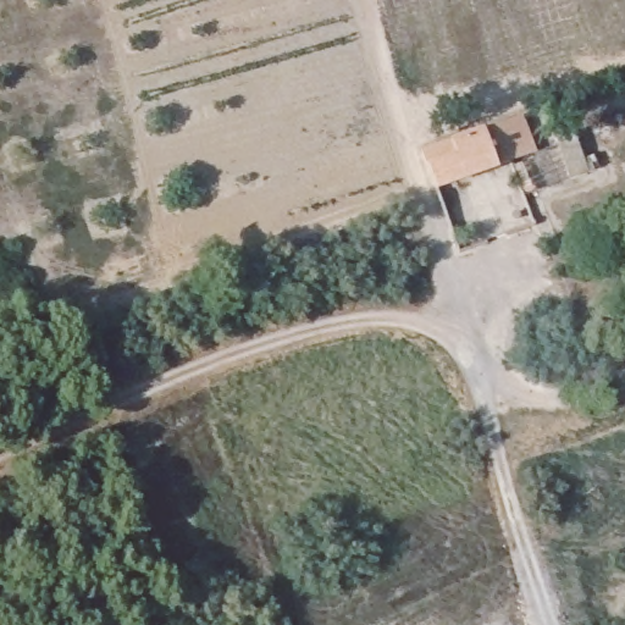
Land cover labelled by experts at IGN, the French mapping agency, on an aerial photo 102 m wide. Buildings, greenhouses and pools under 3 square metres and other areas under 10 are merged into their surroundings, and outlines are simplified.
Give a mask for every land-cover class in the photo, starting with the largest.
<instances>
[{"label":"herbaceous vegetation","instance_id":"1","mask_svg":"<svg viewBox=\"0 0 625 625\"><path fill-rule=\"evenodd\" d=\"M361 0H0V68L10 63H22L27 71L17 85L0 88V237L24 234L34 242L29 261L24 256H17V271L24 278V295L34 293L42 300H66L68 305L83 313V322L88 330L85 349L90 352L93 361L110 374V388L105 396H100L98 405L120 410H139L146 405V388L159 378L151 374L149 361L142 354L125 356L122 322L132 308V300L139 298L144 288L166 291L173 286L181 271H190L198 264L200 247L208 239L222 237L229 244H239L237 288L259 291L271 273L264 251L266 234H281L293 227H325L337 232L361 215L381 212L386 205H391L393 195L405 193L413 186L403 178V156L400 146L396 144L398 129L388 110V103L381 93L378 61L374 63L366 56V46L359 39V24L352 20L354 7ZM73 46H90L95 51V61L76 68L63 66L61 56L73 51ZM159 107H168L171 127L176 132L154 134L146 129V117ZM181 166L190 168L203 208L173 210L164 203L166 178L171 171ZM381 5V24L400 88H405L408 93H427L437 103L442 95H466L479 83L491 81L505 88L510 83H542V78L547 76H564L576 68L583 73H596L608 66H625V0H376ZM603 110L601 120L608 127H598L593 132L598 146L591 154H583V161L591 171L610 164L615 168L618 181L610 186V190L598 188L579 195L574 203L554 200L552 208L564 225L569 222L574 210L603 203L608 193H625V90H610L598 105ZM569 298L574 332H583L586 347L596 352L601 320L610 317V305L618 298V291L608 278H569ZM117 449L120 459H125V464L129 466L134 486L142 491V496L156 498L161 503L159 520H154L149 527L161 540L166 564L178 566L181 598L193 605H203L210 596L208 581L212 576H222L225 571H229L237 559H244L249 566H259L261 574L271 576L266 588L273 593L278 610L291 620V625H525L520 613V581L515 574L513 554L505 547V537L496 515V500L491 496V454L498 447L505 449L520 510L530 522L537 554L542 559V566L547 569L552 591L559 601L562 625H625V613L610 615L605 605L613 601V593L608 591V576L618 569L625 571V405L615 403L610 410L598 413L588 420L586 415L576 413L569 403L562 400L554 410L513 408L503 415L486 413L476 405L461 366L442 344H437L427 334L408 332L403 327H381L369 330L366 334H349L330 339L325 344H313L308 349H298L288 356H276L247 371H229L227 383L203 388L195 396L176 400L171 405H161L154 413L149 420L142 422H117ZM320 493L359 496L369 508H378L391 520L396 518L408 532V542L403 544L405 554L396 559L388 566V571H381L374 581H369L361 588L339 591L334 598H315L298 593L291 579L281 574V547L291 542L286 535V520L300 513L308 498ZM32 464L17 461L12 457V461L0 464V476L15 479Z\"/></svg>","mask_w":625,"mask_h":625},{"label":"deciduous trees","instance_id":"2","mask_svg":"<svg viewBox=\"0 0 625 625\"><path fill-rule=\"evenodd\" d=\"M63 66L76 68L95 61V51L90 46H73V51L61 56ZM27 71L22 63H10L0 68V88L17 85ZM610 90H625V66H608L596 73H583L576 68L564 76H547L542 78V83H510L505 88L491 81L479 83L466 95H442L437 103L432 112V125H452L464 129L479 125L481 115H498L513 107L515 103H522L530 132L537 149H549V139L554 134L566 139L579 137L583 154H591L598 146L593 132L598 127H608L601 120L603 110L598 105ZM146 129L154 134L176 132L171 127L168 107H159L146 117ZM164 203L173 210L203 208L190 168L181 166L171 171L166 178ZM405 203V193L393 195L391 205H386L381 212L361 215L337 232L325 227H293L281 234H266L264 251L271 273L259 291L237 288L239 244H229L222 237L208 239L200 247L198 264L190 271H181L173 286L166 291L144 288L139 298L132 300V308L122 322L125 356L142 354L149 361L151 374L159 378L168 369H176L186 361L203 356L208 349L212 352L217 347H227L234 337L249 339L254 334H261L271 322L291 327L295 322H310L334 313L381 308L410 310L413 305L430 300L435 293V283L432 273L425 269L427 249H415V239H425L427 234L425 229H420L415 234H408V227H396ZM540 249L552 261L554 276L569 278H608L618 291V298L610 305V317L601 320L596 352L586 347L583 332H574L569 298L540 295L525 310H518L513 315V347L503 356L505 369L522 371L532 381L554 386L562 400L569 403L576 413L586 415L588 420L598 413L610 410L615 403L625 405V193H608L603 203L574 210L569 222L564 225V229L542 237ZM459 247L469 249L476 242L496 239L493 220L464 222L454 229ZM34 242L24 234L0 237V454L10 452L12 444L27 447L44 432L49 435V452L37 454V461L32 464L15 479L0 476V625H291V620L278 610L273 593L266 588L271 576L261 574L259 566H249L244 559H237L229 571H225L222 576H212L208 581L210 596L203 605H193L181 598L178 566L166 564L161 540L149 527L154 520H159L161 503L156 498L142 496V491L134 486L129 466L125 464V459H120L117 449V422H142L149 420L154 413L146 405L139 410H120L98 405L100 396H105L110 388V374L93 361L90 352L85 349L88 330L83 322V313L68 305L66 300H42L34 293L24 295V278L17 271V256H24L29 261ZM286 535L291 542L281 547V574L291 579L298 593L315 598H334L339 591L361 588L369 581H374L381 571H388V566L396 559L405 554L403 544L408 542V532L396 518L391 520L378 508H369L359 496L320 493L308 498L300 513L286 520Z\"/></svg>","mask_w":625,"mask_h":625},{"label":"pervious surface","instance_id":"3","mask_svg":"<svg viewBox=\"0 0 625 625\"><path fill-rule=\"evenodd\" d=\"M352 20L359 24V39L366 46V56L374 63L378 61L381 93L388 103V110L398 129L396 144L400 146L403 156V178L413 186L405 193V203L396 227H408V234H415L420 229H425L427 234L425 239H415V249H427L425 269L432 273L435 283V293L430 300L413 305L410 310L381 308L334 313L310 322H295L291 327L271 322L261 334H254L249 339L234 337L227 347H217L212 352L208 349L203 356L186 361L176 369H168L159 378L146 388V405L154 413L161 405H171L176 400L195 396L203 388L227 383L229 371H247L276 356H288L298 349H308L313 344H325L330 339L349 334H366L369 330L381 327H403L408 332L427 334L437 344H442L461 366L476 405L486 413L503 415L513 408L554 410L562 400L554 386L532 381L522 371L505 369L503 356L513 347V315L518 310H525L540 295L569 298V278L554 276L552 261L540 249L542 237L564 229V225L552 208L554 200L574 203L579 195L598 188L610 190V186L618 181L615 168L610 164L591 171L583 173L581 181L564 176V183L542 188L537 198L527 193V205L520 212L508 210L498 220H493L496 239L476 242L469 249L459 247L454 229L442 188H420L427 178V171H432V161L425 156L422 144L435 134L432 125V112L437 103L427 93H408L405 88H400L381 24V5L376 0H361L354 7ZM49 452V435L44 432L27 447L12 444L10 452L0 454V464L12 461V457L17 461L32 464L37 461V454ZM491 496L496 500V515L505 537V547L513 554L515 574L520 581V613L525 625H562L559 601L552 591L547 569L542 566V559L537 554L530 522L520 510L505 449L498 447L491 454ZM608 591L613 593V601L605 605L610 615L625 613V571L618 569L608 576Z\"/></svg>","mask_w":625,"mask_h":625},{"label":"impervious surface","instance_id":"4","mask_svg":"<svg viewBox=\"0 0 625 625\"><path fill-rule=\"evenodd\" d=\"M518 156L513 164H503L498 159L493 166L474 171L476 181L471 186L464 181H454L452 186L442 188L454 229L464 222L493 220H498L508 210L520 212L527 205V193L537 198L542 188L564 183V176L581 181L583 173L591 171L583 161V154L579 137L566 139L554 134L549 139V149H537L530 132L527 137L515 142Z\"/></svg>","mask_w":625,"mask_h":625},{"label":"building","instance_id":"5","mask_svg":"<svg viewBox=\"0 0 625 625\"><path fill-rule=\"evenodd\" d=\"M435 134L422 144L425 156L432 161V171H427V178L420 188H442L452 186L454 181H464L471 186L476 181L474 171L493 166L498 159L503 164H513L518 156L515 142L527 137L530 132L522 103H515L513 107L498 115H481L479 125L464 129L452 125H432Z\"/></svg>","mask_w":625,"mask_h":625}]
</instances>
